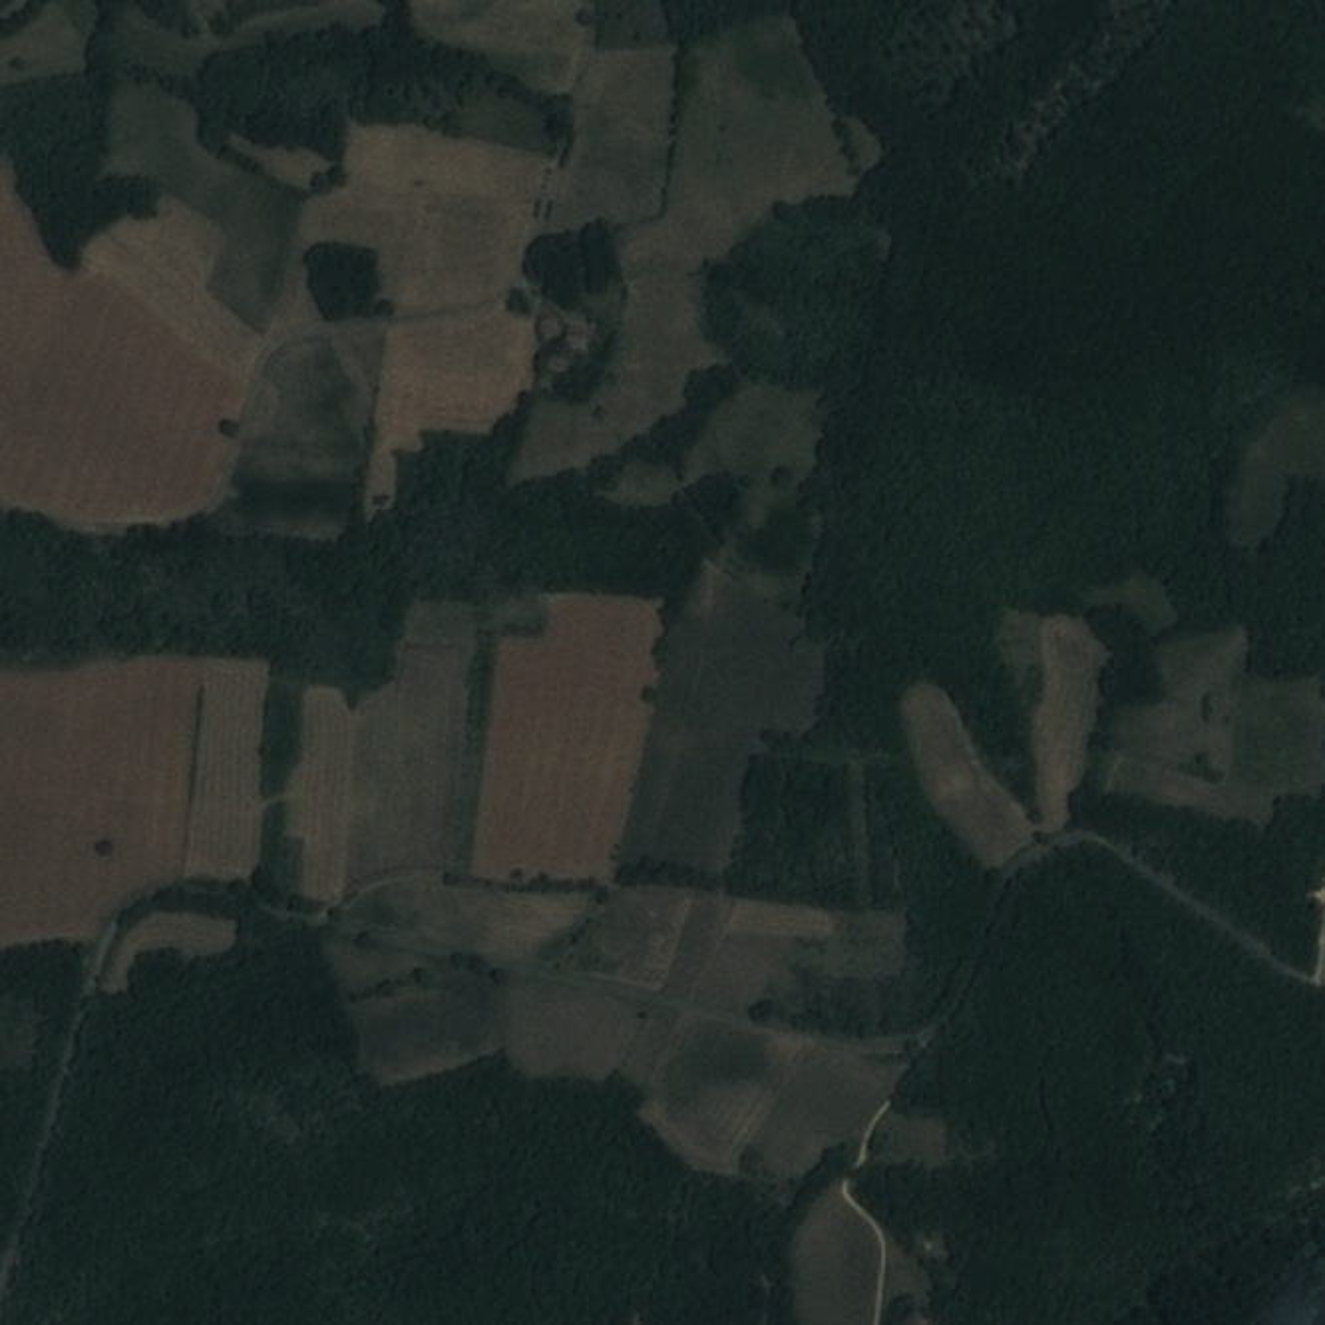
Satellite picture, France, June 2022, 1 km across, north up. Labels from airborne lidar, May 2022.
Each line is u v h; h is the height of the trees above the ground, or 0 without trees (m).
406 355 0
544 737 0
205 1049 15
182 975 9
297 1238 7
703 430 10
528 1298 9
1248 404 6
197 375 0
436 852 0
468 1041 0
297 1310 11
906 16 16
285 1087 9
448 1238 13
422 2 0
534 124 0
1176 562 10
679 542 17
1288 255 13
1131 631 15
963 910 13
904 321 15
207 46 0
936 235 11
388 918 0
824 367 11
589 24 10
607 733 0
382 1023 0
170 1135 9
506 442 11
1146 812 11
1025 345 14
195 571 12
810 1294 0
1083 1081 11
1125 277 12
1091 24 23
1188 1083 9
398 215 0
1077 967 11
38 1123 10
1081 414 9
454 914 0
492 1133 7
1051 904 9
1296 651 12
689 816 0
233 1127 10
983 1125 9
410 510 10
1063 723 0
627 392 0
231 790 0
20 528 16
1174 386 11
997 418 7
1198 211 11
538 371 7
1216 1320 40
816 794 13
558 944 0
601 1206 9
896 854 7
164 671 0
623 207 0
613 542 10
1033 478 8
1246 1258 21
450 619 0
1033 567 7
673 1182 11
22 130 6
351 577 10
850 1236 0
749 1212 11
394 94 11
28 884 0
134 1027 13
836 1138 0
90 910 0
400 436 0
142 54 0
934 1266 11
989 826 0
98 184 11
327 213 0
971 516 7
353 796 0
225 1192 9
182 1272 11
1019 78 19
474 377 0
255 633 10
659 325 0
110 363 0
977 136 18
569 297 16
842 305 10
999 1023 7
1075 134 20
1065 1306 10
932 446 9
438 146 0
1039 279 11
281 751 5
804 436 0
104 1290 9
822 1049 0
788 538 0
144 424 0
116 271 0
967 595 9
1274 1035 10
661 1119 0
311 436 0
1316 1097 10
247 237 0
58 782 0
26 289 0
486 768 0
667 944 0
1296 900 14
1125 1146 12
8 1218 12
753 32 0
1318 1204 19
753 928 0
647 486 0
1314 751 0
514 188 0
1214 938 10
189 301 0
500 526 10
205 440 0
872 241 7
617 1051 0
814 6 15
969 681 7
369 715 0
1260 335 11
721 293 8
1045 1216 10
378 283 10
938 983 8
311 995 13
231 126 13
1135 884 10
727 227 0
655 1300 12
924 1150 0
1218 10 14
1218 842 12
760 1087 0
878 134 15
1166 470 8
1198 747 0
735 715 0
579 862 0
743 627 0
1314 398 0
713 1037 0
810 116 0
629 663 0
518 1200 10
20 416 0
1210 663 0
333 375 0
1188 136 18
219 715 0
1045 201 15
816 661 0
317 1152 9
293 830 0
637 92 0
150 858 0
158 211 10
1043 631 0
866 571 14
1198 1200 20
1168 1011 12
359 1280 9
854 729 9
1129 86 18
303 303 0
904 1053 7
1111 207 16
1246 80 17
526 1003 0
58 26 0
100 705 0
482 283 0
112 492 0
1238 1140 9
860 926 0
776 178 0
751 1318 11
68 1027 9
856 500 12
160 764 0
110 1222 11
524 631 0
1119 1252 10
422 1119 8
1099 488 8
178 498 0
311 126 8
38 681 0
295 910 14
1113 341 11
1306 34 18
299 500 0
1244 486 0
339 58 9
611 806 0
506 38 0
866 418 15
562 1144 8
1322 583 12
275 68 10
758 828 9
